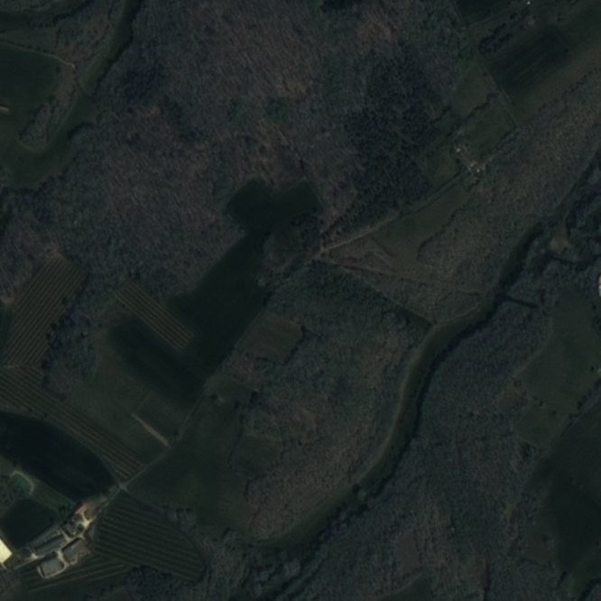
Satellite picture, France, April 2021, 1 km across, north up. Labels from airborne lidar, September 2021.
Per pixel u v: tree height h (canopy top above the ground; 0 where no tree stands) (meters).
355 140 17
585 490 0
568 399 0
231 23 19
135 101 26
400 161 16
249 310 0
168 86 19
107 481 0
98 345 0
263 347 0
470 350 16
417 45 17
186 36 15
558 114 14
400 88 16
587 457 0
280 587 0
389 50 20
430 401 15
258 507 12
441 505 15
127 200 15
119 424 0
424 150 16
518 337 18
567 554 0
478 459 10
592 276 17
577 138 13
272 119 19
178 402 0
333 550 20
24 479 0
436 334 0
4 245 19
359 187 18
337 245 15
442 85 18
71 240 24
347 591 15
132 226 16
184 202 17
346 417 10
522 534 9
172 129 17
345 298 15
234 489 0
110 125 17
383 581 10
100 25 7
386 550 11
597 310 11
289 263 18
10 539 0
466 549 22
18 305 0
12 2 14
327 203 12
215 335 0
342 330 21
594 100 15
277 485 14
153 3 21
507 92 0
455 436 14
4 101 0
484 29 0
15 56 0
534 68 0
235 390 0
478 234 20
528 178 14
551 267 22
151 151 18
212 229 14
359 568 15
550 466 0
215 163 16
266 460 0
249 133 15
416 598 0
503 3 0
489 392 14
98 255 23
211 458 0
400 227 0
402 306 12
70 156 0
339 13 25
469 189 6
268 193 0
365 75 20
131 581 16
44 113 13
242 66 19
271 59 18
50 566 0
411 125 16
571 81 0
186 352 0
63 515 6
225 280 0
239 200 0
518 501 11
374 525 17
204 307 0
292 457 18
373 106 17
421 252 13
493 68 0
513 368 19
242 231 14
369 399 12
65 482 0
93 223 19
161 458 0
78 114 0
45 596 0
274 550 0
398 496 11
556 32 0
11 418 0
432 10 23
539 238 14
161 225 18
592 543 0
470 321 0
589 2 0
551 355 0
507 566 18
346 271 14
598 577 0
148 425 0
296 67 18
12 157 0
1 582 14
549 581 15
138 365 0
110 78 12
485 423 16
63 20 14
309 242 17
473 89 0
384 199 16
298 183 0
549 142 11
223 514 0
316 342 24
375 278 14
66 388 15
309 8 19
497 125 0
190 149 22
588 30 0
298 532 0
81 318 12
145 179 21
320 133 14
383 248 9
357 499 20
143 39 11
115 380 0
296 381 19
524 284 20
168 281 16
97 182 21
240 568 17
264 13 21
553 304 13
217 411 0
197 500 0
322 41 20
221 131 18
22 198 21
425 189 13
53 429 0
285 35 21
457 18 7
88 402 0
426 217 0
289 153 16
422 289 14
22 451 0
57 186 23
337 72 19
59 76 11
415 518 11
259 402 18
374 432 15
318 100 20
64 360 14
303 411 20
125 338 0
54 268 0
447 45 21
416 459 15
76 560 0
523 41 0
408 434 0
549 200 18
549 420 0
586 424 0
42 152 0
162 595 23
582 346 0
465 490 17
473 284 14
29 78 0
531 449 16
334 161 15
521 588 10
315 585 12
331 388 19
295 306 17
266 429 18
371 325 15
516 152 9
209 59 23
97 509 6
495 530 15
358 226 16
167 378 0
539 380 0
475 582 0
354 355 22
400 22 16
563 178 15
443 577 10
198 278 13
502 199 14
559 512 0
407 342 10
